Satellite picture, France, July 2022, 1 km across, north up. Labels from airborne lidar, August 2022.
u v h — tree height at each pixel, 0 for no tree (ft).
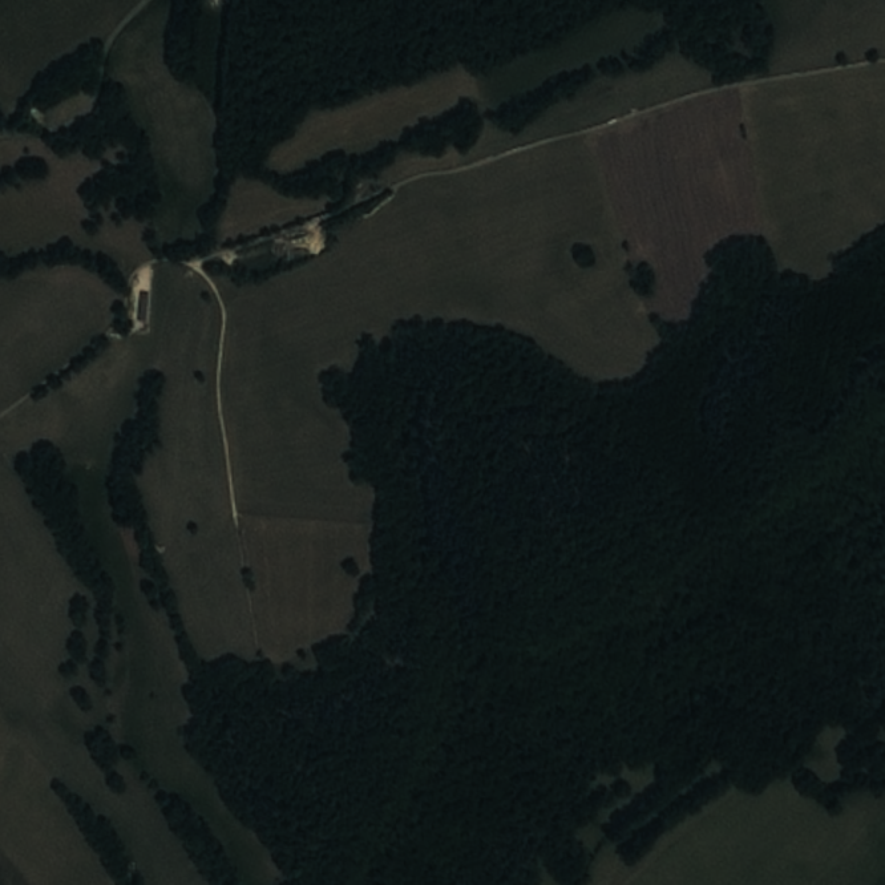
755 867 0
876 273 18
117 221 53
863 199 0
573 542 43
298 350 0
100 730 38
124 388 0
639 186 0
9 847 0
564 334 0
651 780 0
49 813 0
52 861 0
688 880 0
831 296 25
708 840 0
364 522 0
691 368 40
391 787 45
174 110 0
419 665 50
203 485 0
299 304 0
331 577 0
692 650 77
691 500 49
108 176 48
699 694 77
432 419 95
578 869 80
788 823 0
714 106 0
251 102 57
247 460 0
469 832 77
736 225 0
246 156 54
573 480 40
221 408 0
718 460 68
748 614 79
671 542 55
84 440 0
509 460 51
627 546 47
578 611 43
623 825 88
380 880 29
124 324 43
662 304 0
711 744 57
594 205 0
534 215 0
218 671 63
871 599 88
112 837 48
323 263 0
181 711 0
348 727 40
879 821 0
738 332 64
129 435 67
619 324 0
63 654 0
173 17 42
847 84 0
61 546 43
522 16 76
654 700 72
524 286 0
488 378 51
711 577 80
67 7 0
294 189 45
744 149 0
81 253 47
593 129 0
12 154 0
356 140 0
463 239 0
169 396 0
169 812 57
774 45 51
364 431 60
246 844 0
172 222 0
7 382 0
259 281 30
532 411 75
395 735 52
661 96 0
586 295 0
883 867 0
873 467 89
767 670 47
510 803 97
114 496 46
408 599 51
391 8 50
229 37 54
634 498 40
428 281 0
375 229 0
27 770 0
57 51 0
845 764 69
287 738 51
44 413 0
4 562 0
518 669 74
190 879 0
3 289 0
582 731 63
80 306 0
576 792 84
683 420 40
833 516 76
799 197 0
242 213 0
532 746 93
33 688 0
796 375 19
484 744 82
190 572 0
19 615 0
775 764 66
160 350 0
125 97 64
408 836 58
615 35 0
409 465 37
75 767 0
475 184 0
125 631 21
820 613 93
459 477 62
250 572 32
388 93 0
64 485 72
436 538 90
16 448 0
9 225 0
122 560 0
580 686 66
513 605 53
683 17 82
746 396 44
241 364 0
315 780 37
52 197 0
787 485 40
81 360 41
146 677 0
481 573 58
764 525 72
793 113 0
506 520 60
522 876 78
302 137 0
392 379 59
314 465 0
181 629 39
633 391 41
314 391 0
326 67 46
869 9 0
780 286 43
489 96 0
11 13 0
